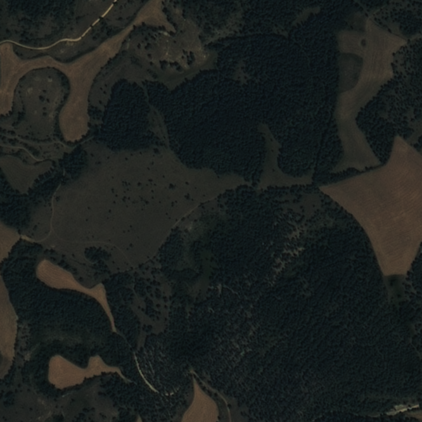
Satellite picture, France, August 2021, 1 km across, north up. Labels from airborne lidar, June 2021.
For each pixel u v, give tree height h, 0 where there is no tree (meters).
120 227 0
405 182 0
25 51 0
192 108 14
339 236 16
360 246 15
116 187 0
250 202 12
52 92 0
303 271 10
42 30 0
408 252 0
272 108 16
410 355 14
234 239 10
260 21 13
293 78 14
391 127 6
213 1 6
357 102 0
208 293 7
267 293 12
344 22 16
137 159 0
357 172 9
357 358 12
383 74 0
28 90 0
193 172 0
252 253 12
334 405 11
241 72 0
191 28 0
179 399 11
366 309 13
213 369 17
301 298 10
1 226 0
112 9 0
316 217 7
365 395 12
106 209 0
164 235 0
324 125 15
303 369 13
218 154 10
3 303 0
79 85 0
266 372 13
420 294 13
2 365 0
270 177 0
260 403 17
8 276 17
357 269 14
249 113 18
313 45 14
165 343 11
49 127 0
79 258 0
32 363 8
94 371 0
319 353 14
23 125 0
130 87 14
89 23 0
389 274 0
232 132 12
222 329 12
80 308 16
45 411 0
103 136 12
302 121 12
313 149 16
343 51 0
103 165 0
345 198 0
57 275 0
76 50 0
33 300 12
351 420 12
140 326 7
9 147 0
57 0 11
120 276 11
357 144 0
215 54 0
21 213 8
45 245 0
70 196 0
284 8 15
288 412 17
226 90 13
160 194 0
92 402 0
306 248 10
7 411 0
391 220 0
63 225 0
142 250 0
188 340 11
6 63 0
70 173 15
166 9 6
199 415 0
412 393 9
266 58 14
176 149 8
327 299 13
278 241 11
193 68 0
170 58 0
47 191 9
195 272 6
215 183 0
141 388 15
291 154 12
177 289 6
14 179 0
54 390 15
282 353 11
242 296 12
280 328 10
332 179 16
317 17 10
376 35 0
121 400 9
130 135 19
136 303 0
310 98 13
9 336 0
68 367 0
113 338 12
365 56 0
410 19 10
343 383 11
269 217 10
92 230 0
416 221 0
